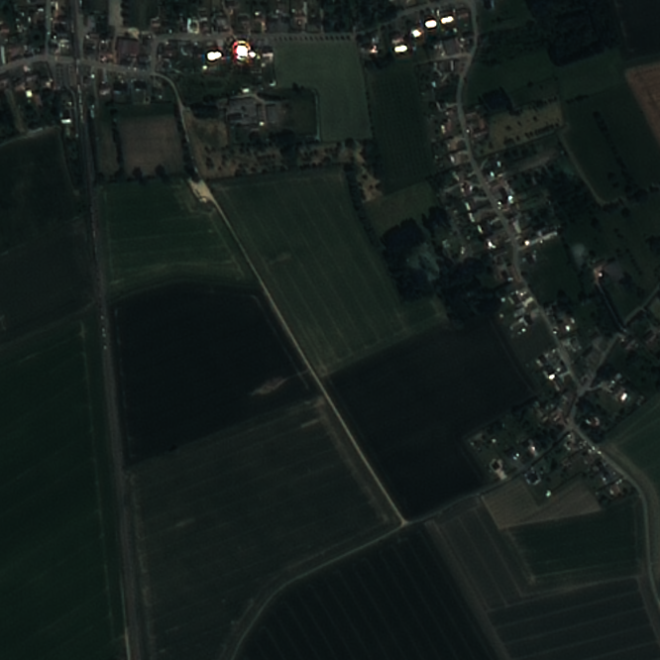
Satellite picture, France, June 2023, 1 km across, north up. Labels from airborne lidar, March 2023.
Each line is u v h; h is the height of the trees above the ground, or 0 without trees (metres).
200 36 0
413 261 0
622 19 0
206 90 0
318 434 0
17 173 0
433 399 0
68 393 0
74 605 0
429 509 0
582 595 0
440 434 0
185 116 0
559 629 0
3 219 0
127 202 0
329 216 0
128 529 0
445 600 0
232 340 0
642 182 0
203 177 0
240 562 0
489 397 0
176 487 0
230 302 0
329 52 0
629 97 0
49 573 0
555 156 0
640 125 0
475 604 0
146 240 0
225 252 0
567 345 0
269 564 0
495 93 0
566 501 0
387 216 0
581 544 0
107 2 0
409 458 0
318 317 0
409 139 0
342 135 0
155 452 0
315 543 0
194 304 0
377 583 0
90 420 0
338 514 0
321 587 0
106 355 0
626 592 0
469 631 0
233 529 0
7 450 0
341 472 0
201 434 0
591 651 0
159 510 0
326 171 0
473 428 0
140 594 0
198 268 0
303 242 0
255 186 0
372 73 0
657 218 0
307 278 0
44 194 0
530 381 0
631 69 0
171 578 0
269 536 0
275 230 0
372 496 0
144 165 0
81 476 0
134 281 0
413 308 0
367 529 0
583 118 0
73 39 0
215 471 0
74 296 0
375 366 0
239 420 0
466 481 0
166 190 0
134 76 0
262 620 0
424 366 0
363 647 0
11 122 6
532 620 0
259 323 0
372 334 0
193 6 0
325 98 0
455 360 0
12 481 0
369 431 0
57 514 0
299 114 0
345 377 0
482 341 0
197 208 0
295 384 0
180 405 0
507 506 0
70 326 0
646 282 0
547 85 0
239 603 0
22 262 0
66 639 0
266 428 0
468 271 18
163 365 0
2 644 0
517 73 0
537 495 0
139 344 0
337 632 0
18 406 0
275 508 0
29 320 0
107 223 0
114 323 0
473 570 0
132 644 0
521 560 0
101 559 0
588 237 0
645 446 0
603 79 0
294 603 0
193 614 0
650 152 0
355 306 0
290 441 0
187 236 0
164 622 0
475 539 0
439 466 0
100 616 0
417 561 0
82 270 0
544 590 0
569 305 11
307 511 0
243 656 0
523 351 0
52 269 0
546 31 7
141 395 0
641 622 0
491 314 0
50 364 0
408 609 0
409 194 0
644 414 0
